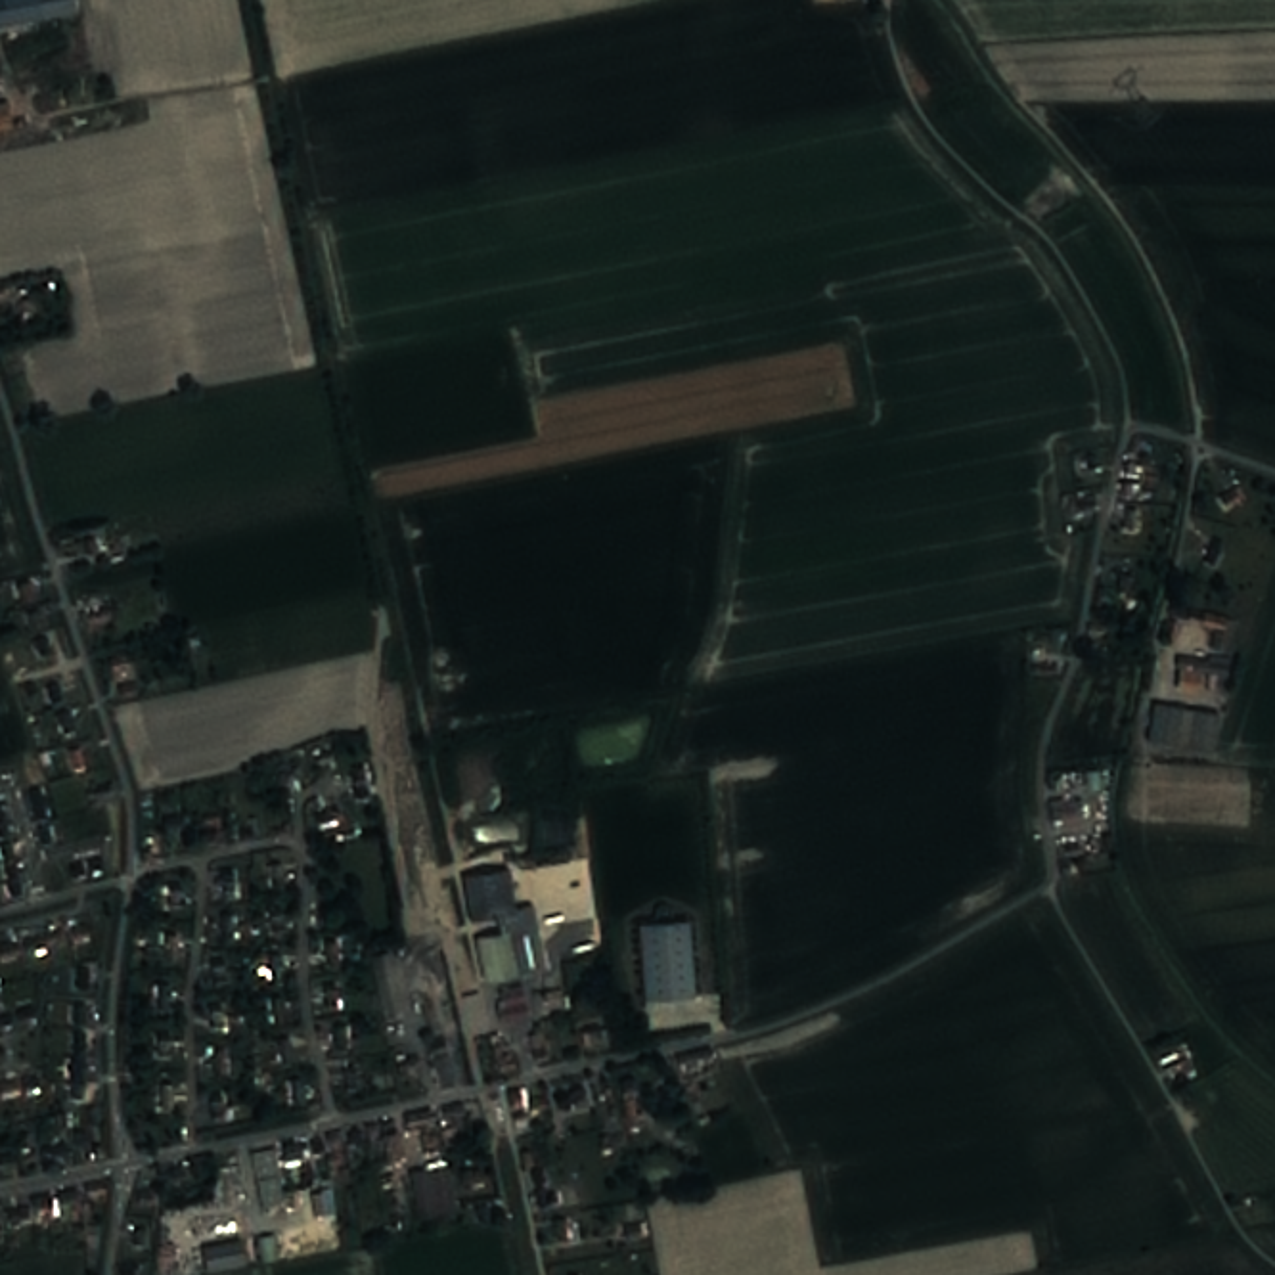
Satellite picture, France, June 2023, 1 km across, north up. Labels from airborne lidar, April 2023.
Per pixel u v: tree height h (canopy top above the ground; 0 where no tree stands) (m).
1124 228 0
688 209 0
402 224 0
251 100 0
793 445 0
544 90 0
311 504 0
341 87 0
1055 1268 0
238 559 0
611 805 0
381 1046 0
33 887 0
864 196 0
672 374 0
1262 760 0
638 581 0
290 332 0
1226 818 0
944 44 0
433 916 0
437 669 0
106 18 0
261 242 0
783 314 0
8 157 0
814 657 0
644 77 0
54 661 0
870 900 0
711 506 0
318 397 0
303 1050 0
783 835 0
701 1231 0
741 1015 0
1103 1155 0
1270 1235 0
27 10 0
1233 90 0
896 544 0
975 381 0
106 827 0
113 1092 0
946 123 0
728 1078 0
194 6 0
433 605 0
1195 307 0
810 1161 0
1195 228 0
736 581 0
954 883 0
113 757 0
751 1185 0
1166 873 0
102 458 0
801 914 0
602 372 0
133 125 0
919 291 0
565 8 0
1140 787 0
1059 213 0
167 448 0
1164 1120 0
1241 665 12
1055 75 0
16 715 0
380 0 0
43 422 12
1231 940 0
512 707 0
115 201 0
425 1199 0
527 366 0
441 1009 0
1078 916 0
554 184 0
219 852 0
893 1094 0
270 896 7
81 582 0
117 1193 0
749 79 0
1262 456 0
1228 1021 0
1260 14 0
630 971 0
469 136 0
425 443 0
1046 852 0
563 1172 0
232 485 0
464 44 0
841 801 0
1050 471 0
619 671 0
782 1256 0
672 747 0
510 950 0
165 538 0
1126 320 0
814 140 0
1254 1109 0
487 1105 0
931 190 0
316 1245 0
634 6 0
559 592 0
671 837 0
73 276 0
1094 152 0
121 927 0
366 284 0
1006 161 0
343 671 0
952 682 0
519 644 0
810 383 0
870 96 0
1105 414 0
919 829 0
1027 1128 0
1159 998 0
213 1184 6
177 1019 6
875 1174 0
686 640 0
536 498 0
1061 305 0
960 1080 0
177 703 0
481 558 0
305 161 0
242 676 0
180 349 0
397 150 0
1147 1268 0
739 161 0
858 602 0
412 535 0
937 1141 0
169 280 0
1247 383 0
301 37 0
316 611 0
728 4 0
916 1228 0
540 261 0
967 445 0
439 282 0
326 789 0
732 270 0
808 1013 0
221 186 0
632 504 0
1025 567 0
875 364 0
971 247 0
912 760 0
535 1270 0
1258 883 0
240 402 0
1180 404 0
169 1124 0
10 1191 0
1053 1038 0
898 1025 0
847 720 0
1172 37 0
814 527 0
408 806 0
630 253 0
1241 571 0
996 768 0
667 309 0
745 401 0
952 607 0
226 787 0
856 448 0
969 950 0
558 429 0
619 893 0
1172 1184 0
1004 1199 0
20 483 0
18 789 0
